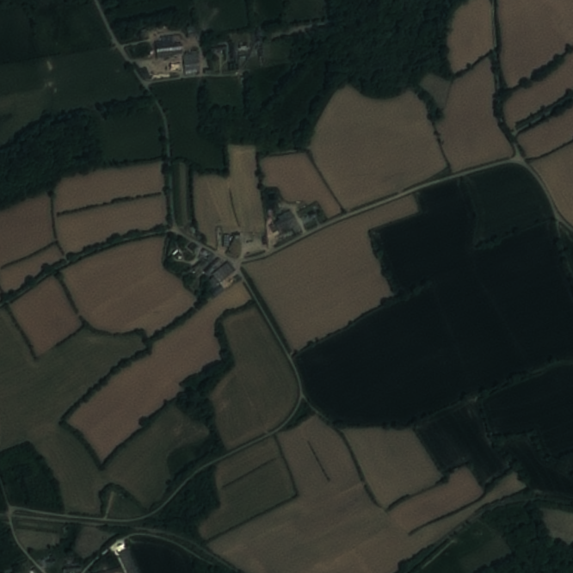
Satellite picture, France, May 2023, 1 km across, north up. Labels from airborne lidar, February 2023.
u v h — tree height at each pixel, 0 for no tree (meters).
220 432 0
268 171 0
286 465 0
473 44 0
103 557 8
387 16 9
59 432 0
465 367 0
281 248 0
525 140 0
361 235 0
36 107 0
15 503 0
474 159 0
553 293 0
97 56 0
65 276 0
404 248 0
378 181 0
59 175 22
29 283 17
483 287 0
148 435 0
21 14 0
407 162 0
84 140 17
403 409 0
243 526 0
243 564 0
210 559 8
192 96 0
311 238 0
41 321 0
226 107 7
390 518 0
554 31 0
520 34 0
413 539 0
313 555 0
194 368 0
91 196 0
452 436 0
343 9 22
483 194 0
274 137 8
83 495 0
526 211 0
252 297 0
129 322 0
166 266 12
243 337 0
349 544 0
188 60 0
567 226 0
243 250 0
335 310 0
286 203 0
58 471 0
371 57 7
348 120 0
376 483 0
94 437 0
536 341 0
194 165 7
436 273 0
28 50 0
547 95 0
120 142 0
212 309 0
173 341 0
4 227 0
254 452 0
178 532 9
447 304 0
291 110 0
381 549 0
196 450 0
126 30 21
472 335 0
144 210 0
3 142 0
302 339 0
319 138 0
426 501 0
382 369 0
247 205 0
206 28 0
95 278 0
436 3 10
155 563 0
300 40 13
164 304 0
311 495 0
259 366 0
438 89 0
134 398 0
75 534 6
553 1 0
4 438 0
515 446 0
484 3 0
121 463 0
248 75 10
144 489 0
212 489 10
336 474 0
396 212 0
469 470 12
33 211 0
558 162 0
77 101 0
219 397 0
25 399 0
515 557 15
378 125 0
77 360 0
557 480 0
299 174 0
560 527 0
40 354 0
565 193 0
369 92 14
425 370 0
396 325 0
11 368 0
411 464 0
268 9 0
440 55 11
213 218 0
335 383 0
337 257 0
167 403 12
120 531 9
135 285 0
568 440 0
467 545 0
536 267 0
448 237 0
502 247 0
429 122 14
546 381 0
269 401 0
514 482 0
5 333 0
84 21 0
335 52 16
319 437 0
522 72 0
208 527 0
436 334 0
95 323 0
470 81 0
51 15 0
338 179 0
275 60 0
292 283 0
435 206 0
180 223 0
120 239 14
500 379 0
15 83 0
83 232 0
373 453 0
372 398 0
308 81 0
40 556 0
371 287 0
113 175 0
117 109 21
